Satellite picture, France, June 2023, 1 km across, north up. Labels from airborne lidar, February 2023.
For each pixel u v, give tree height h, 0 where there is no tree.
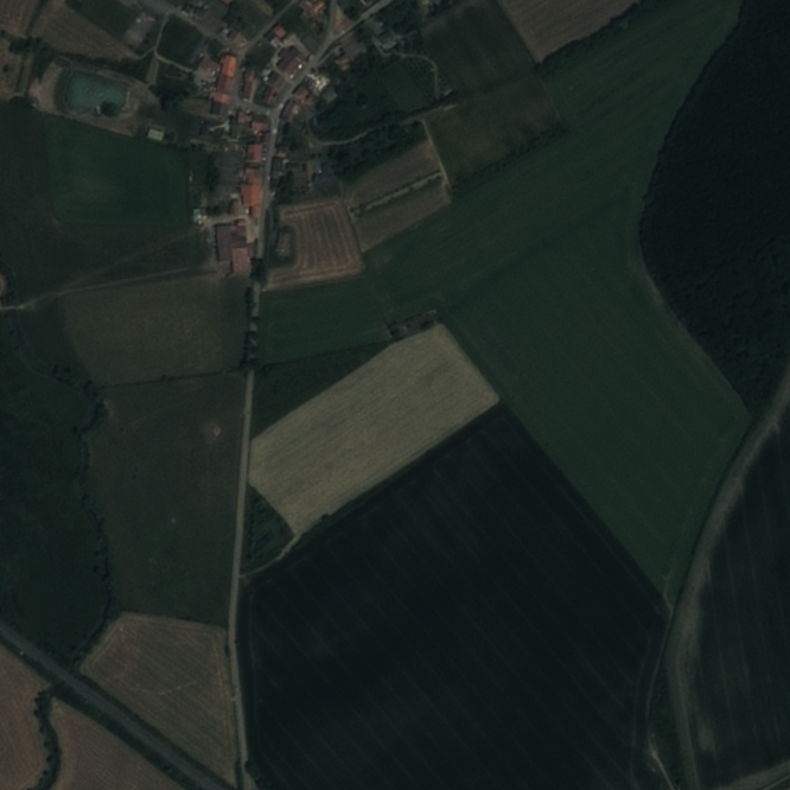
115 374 0
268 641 0
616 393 0
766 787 0
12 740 0
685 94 0
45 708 13
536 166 0
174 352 0
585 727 0
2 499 0
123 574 0
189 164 0
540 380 0
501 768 0
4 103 0
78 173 0
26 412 0
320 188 0
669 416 0
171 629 0
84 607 0
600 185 0
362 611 0
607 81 0
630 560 0
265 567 0
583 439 0
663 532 0
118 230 0
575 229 0
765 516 0
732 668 0
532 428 0
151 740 0
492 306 0
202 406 0
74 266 0
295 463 0
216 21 0
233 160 0
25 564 0
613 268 0
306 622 0
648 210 8
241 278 0
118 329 0
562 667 0
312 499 0
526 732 0
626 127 0
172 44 0
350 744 0
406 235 0
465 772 0
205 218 0
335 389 0
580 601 0
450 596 0
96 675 0
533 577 0
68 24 0
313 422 0
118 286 0
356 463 0
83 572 0
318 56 0
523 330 0
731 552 0
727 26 0
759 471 0
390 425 0
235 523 0
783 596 0
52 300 0
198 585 0
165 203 0
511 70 0
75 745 0
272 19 0
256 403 0
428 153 0
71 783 0
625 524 0
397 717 0
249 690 0
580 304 0
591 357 0
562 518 0
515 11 0
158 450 0
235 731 0
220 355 0
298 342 0
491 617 0
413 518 0
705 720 0
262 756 0
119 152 0
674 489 0
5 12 0
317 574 0
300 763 0
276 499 0
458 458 0
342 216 0
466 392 0
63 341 0
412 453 0
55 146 0
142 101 0
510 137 0
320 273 0
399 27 13
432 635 0
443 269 0
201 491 0
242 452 0
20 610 0
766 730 0
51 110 0
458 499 0
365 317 0
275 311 0
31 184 0
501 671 0
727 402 0
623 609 0
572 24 0
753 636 0
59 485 0
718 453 0
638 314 0
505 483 0
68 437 0
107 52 0
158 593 0
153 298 0
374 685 0
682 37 0
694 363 0
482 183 0
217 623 0
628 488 0
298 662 0
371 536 0
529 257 0
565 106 0
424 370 0
